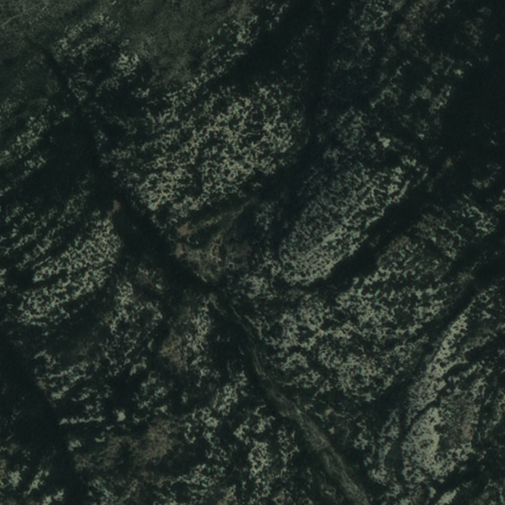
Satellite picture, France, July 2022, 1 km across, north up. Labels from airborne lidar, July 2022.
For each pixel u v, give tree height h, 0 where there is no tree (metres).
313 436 0
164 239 7
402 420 6
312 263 0
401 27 0
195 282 8
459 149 5
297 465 6
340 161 6
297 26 6
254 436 6
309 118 7
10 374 10
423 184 6
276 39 6
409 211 5
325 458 0
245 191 7
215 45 0
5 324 6
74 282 0
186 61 0
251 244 5
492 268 6
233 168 0
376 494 6
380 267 0
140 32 0
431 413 0
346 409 6
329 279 6
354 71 5
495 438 6
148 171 6
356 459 8
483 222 0
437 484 5
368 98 6
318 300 0
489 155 7
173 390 5
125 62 0
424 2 0
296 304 6
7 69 0
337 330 0
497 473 6
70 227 6
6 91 0
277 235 5
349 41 6
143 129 6
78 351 0
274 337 7
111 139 6
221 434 6
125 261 6
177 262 7
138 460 0
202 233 6
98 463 7
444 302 6
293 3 5
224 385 8
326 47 6
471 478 8
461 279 0
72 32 0
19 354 7
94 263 0
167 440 0
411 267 0
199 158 6
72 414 7
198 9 0
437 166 6
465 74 5
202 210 5
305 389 7
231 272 6
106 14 0
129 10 0
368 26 0
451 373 6
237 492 6
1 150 0
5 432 7
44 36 0
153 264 6
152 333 7
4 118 0
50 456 7
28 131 0
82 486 6
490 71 6
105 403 6
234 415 5
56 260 0
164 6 0
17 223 5
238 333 7
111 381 6
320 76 7
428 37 6
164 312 6
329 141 7
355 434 6
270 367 6
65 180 5
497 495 7
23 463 7
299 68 7
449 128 6
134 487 0
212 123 6
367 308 0
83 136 6
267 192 6
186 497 7
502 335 6
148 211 7
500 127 5
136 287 5
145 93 0
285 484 6
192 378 7
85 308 6
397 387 7
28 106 0
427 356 0
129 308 6
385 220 6
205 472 7
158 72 0
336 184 0
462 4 5
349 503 7
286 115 7
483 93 7
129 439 0
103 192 6
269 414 7
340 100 7
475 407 0
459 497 6
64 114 0
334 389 6
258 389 6
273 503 8
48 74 0
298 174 7
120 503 0
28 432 8
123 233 8
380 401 8
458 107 6
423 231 0
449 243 0
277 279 6
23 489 7
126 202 10
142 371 6
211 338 6
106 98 5
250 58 8
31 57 0
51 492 6
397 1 0
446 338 0
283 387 6
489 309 6
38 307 0
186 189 6
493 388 7
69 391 6
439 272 0
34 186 6
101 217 7
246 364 9
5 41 0
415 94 0
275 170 6
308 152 6
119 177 6
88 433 5
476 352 6
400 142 0
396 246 0
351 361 0
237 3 0
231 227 6
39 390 7
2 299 6
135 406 6
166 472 6
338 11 7
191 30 0
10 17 0
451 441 0
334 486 6
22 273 6
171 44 0
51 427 11
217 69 0
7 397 6
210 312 7
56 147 7
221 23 0
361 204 0
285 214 6
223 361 8
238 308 8
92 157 9
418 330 6
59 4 0
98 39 0
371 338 5
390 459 6
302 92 7
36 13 0
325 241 0
